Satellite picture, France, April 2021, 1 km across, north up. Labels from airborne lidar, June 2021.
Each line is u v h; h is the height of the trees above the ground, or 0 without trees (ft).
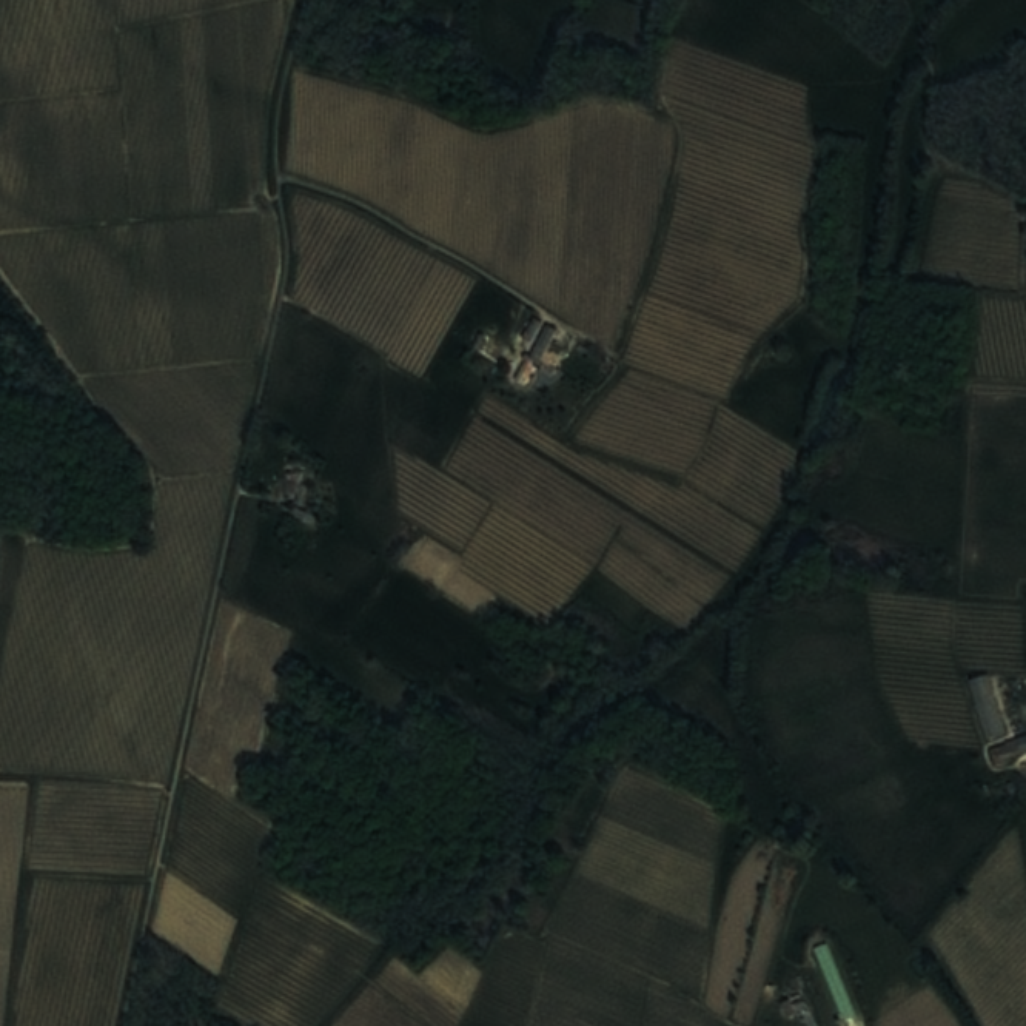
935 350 68
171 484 0
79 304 0
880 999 0
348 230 0
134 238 0
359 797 76
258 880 0
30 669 0
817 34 0
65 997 0
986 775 0
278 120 0
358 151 0
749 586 37
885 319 73
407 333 0
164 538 0
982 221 0
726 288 0
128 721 0
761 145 0
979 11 0
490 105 87
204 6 0
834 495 0
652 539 0
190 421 0
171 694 0
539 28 0
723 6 0
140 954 36
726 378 0
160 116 0
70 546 60
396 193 0
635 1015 0
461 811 68
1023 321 0
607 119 0
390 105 0
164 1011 48
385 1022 0
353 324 0
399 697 0
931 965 63
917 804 0
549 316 0
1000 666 0
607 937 0
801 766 0
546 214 0
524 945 0
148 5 0
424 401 0
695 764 77
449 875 55
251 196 0
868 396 73
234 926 0
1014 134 52
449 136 0
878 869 0
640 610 0
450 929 67
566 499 0
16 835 0
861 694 0
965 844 0
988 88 60
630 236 0
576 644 77
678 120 0
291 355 0
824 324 47
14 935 0
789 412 0
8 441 72
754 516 0
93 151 0
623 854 0
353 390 0
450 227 0
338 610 0
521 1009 0
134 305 0
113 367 0
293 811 45
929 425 43
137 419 0
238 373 0
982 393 0
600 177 0
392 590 0
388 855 78
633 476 0
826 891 0
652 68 63
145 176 0
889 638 0
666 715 69
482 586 0
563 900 0
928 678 0
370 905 69
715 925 0
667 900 0
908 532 0
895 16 58
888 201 59
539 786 58
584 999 0
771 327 0
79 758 0
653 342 0
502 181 0
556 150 0
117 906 0
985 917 0
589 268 0
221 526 0
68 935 0
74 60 0
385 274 0
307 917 0
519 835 78
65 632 0
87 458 73
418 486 0
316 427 0
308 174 0
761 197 0
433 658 0
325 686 61
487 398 0
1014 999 0
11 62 0
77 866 0
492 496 0
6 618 0
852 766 0
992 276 0
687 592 0
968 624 0
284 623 0
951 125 61
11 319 44
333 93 0
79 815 0
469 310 0
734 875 0
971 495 0
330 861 54
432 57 79
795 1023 0
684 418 0
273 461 0
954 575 0
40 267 0
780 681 0
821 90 0
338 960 0
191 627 0
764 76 0
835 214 62
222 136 0
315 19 31
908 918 0
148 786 0
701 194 0
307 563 0
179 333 0
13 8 0
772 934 0
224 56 0
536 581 0
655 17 69
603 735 71
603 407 0
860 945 0
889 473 0
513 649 58
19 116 0
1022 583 0
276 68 0
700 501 0
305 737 65
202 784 0
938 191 0
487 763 49
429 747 79
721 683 0
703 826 0
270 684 0
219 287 0
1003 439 0
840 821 0
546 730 59
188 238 0
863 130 0
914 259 33
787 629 0
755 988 0
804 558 72
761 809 0
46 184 0
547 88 73
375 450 0
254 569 0
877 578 70
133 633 0
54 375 63
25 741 0
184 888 0
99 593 0
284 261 0
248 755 0
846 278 75
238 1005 0
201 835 0
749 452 0
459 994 0
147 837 0
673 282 0
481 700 0
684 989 0
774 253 0
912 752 0
